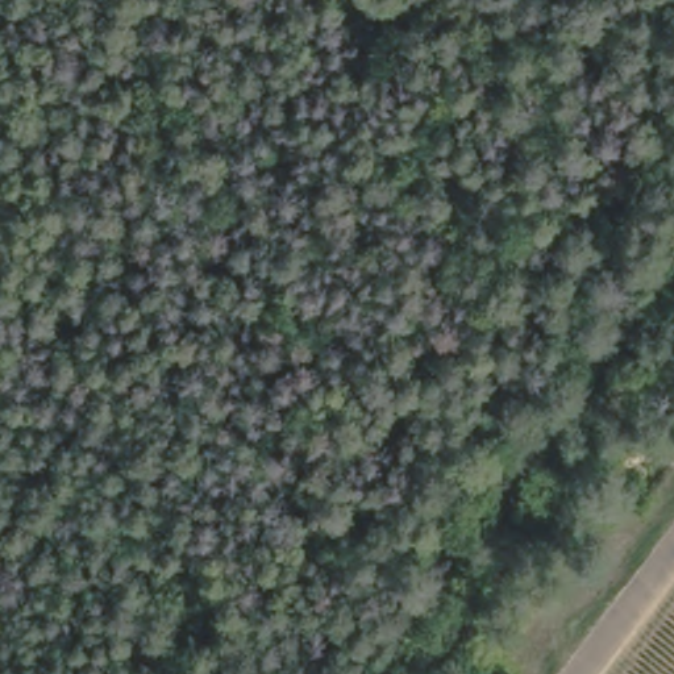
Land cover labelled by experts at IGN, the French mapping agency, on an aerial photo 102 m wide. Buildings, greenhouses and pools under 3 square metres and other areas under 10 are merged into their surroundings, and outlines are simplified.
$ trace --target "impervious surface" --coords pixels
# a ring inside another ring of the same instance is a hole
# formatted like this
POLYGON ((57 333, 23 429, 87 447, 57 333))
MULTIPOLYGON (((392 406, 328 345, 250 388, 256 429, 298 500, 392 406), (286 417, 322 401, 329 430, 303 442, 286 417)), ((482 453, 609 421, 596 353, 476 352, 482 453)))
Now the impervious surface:
POLYGON ((616 598, 606 606, 606 611, 587 629, 582 642, 569 653, 569 658, 561 663, 556 674, 611 674, 611 669, 627 656, 640 632, 648 627, 661 603, 674 590, 674 521, 666 527, 666 532, 650 548, 642 566, 616 592, 616 598))

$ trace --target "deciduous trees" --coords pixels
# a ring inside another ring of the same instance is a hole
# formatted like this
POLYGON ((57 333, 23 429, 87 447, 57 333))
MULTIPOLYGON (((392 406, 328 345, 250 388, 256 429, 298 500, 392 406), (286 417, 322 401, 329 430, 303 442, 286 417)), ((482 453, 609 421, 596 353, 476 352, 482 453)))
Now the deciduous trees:
POLYGON ((440 295, 445 321, 455 319, 455 311, 463 311, 466 319, 482 316, 490 300, 500 292, 500 287, 524 287, 524 266, 542 263, 542 255, 537 250, 550 245, 556 253, 566 253, 569 237, 579 237, 582 232, 592 234, 592 250, 600 253, 600 263, 613 276, 613 282, 624 279, 629 276, 627 245, 632 226, 645 221, 666 221, 661 211, 653 211, 645 203, 645 197, 663 195, 666 200, 674 190, 674 174, 669 171, 669 166, 661 163, 661 158, 640 161, 637 166, 611 161, 611 187, 600 187, 595 190, 595 197, 584 197, 579 203, 561 203, 558 208, 537 211, 534 216, 542 226, 534 234, 529 234, 524 226, 511 226, 506 242, 490 242, 490 250, 477 250, 474 242, 469 242, 463 253, 448 261, 442 271, 442 284, 434 287, 434 292, 440 295))
POLYGON ((503 445, 495 450, 495 458, 500 461, 503 477, 513 477, 524 458, 519 455, 519 440, 503 434, 503 445))
POLYGON ((458 118, 455 103, 448 103, 448 97, 437 97, 434 105, 424 108, 424 118, 458 118))
POLYGON ((437 516, 440 553, 469 561, 474 558, 474 550, 484 545, 482 529, 495 521, 503 495, 500 482, 495 487, 484 487, 482 492, 466 490, 445 506, 445 511, 437 516))
POLYGON ((590 340, 592 326, 598 324, 598 305, 592 295, 574 295, 566 305, 569 329, 566 334, 550 340, 550 355, 569 369, 574 384, 587 387, 595 363, 587 358, 584 345, 590 340))
POLYGON ((466 606, 463 600, 450 598, 445 611, 429 606, 421 616, 411 619, 411 627, 398 637, 395 656, 408 656, 419 650, 432 656, 442 653, 445 640, 461 624, 461 613, 466 606))
POLYGON ((556 121, 556 111, 561 108, 563 95, 584 87, 582 71, 574 74, 569 82, 553 82, 545 71, 527 79, 532 92, 540 90, 542 95, 534 124, 513 137, 516 145, 524 147, 524 155, 519 158, 519 171, 524 176, 537 163, 548 166, 566 158, 566 132, 571 126, 556 121))
POLYGON ((179 245, 187 242, 192 247, 192 258, 184 258, 184 269, 200 271, 200 263, 211 258, 211 240, 219 240, 221 229, 237 221, 234 203, 219 203, 213 213, 200 211, 195 221, 184 216, 184 182, 179 176, 179 169, 169 169, 169 158, 161 155, 158 129, 182 124, 192 132, 195 140, 208 140, 208 118, 203 113, 190 111, 187 105, 166 105, 161 79, 166 71, 174 71, 179 66, 179 61, 174 55, 153 53, 134 55, 132 61, 134 74, 129 79, 137 87, 137 97, 132 100, 129 116, 118 121, 118 129, 134 134, 134 153, 140 158, 142 211, 137 216, 129 216, 129 211, 118 211, 121 237, 105 240, 105 253, 137 255, 134 232, 142 226, 153 226, 155 237, 174 234, 179 245))
POLYGON ((411 87, 416 76, 416 61, 411 61, 403 53, 403 47, 371 47, 366 84, 371 84, 374 97, 392 97, 398 95, 398 87, 411 87))
POLYGON ((653 369, 629 366, 621 376, 613 376, 613 411, 621 411, 624 400, 632 398, 637 403, 645 400, 645 387, 650 387, 658 379, 653 369))
POLYGON ((166 611, 182 619, 184 592, 179 587, 174 595, 147 592, 140 613, 166 611))
POLYGON ((458 58, 469 58, 474 68, 474 82, 479 84, 487 84, 492 79, 492 61, 487 50, 487 26, 479 21, 479 11, 469 0, 437 0, 424 13, 424 18, 411 18, 411 32, 421 32, 424 42, 437 42, 448 34, 458 45, 458 58))
POLYGON ((398 190, 408 187, 411 182, 429 179, 434 174, 432 155, 437 155, 437 147, 432 147, 427 137, 416 137, 411 140, 411 150, 395 153, 400 169, 392 182, 398 190))
POLYGON ((298 437, 298 450, 311 453, 313 437, 326 434, 326 424, 321 419, 313 419, 313 408, 308 405, 300 408, 292 419, 282 419, 279 432, 269 432, 269 427, 258 424, 258 440, 250 440, 245 432, 247 405, 232 403, 232 413, 221 421, 213 419, 208 424, 208 432, 226 432, 234 442, 240 442, 242 448, 253 450, 258 458, 266 461, 284 458, 287 437, 298 437))
POLYGON ((340 334, 337 329, 345 321, 345 316, 342 311, 334 311, 329 316, 319 313, 313 319, 303 319, 300 313, 295 313, 295 300, 284 295, 276 300, 279 311, 271 332, 282 334, 282 342, 266 342, 263 353, 276 355, 279 363, 290 363, 292 350, 326 348, 334 334, 340 334))

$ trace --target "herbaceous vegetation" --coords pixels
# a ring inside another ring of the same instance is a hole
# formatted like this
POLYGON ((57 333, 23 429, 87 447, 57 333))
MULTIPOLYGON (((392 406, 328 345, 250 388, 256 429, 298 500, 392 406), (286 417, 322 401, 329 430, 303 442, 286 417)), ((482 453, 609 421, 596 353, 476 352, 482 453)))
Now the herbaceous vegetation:
POLYGON ((574 592, 571 603, 540 600, 534 611, 527 613, 521 624, 516 624, 508 632, 500 650, 519 658, 524 674, 556 674, 561 663, 569 658, 569 653, 582 642, 587 629, 606 611, 606 606, 616 598, 616 592, 642 566, 650 548, 666 532, 666 527, 674 521, 674 466, 666 466, 663 479, 656 487, 658 508, 648 519, 648 527, 629 524, 621 532, 616 532, 616 542, 606 563, 595 571, 579 571, 582 587, 574 592))

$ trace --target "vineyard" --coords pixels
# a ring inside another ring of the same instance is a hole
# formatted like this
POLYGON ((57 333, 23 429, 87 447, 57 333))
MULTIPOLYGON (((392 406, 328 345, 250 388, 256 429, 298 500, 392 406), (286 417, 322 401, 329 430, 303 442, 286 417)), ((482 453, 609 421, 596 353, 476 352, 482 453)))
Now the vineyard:
POLYGON ((648 627, 640 632, 627 656, 611 669, 611 674, 674 674, 674 590, 661 603, 648 627))

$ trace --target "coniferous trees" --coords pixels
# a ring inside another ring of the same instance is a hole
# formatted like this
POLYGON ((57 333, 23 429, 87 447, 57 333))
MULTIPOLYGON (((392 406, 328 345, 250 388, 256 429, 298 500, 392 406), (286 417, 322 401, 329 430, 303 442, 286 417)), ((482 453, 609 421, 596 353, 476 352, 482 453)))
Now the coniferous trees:
POLYGON ((592 234, 582 232, 579 237, 569 237, 566 253, 556 253, 550 245, 537 250, 542 255, 542 263, 524 266, 524 287, 500 287, 500 292, 490 300, 482 316, 466 319, 463 311, 455 311, 455 319, 445 321, 440 295, 434 292, 434 287, 442 284, 442 271, 448 261, 463 253, 469 242, 474 242, 477 250, 490 250, 490 242, 506 242, 511 226, 524 226, 529 234, 534 234, 542 226, 534 216, 537 211, 558 208, 561 203, 579 203, 584 197, 595 197, 595 190, 600 187, 611 187, 611 161, 637 166, 640 161, 661 158, 661 163, 669 166, 669 171, 674 174, 674 0, 469 0, 479 11, 479 21, 487 26, 487 50, 492 61, 492 79, 487 84, 479 84, 474 82, 474 68, 469 58, 458 58, 458 45, 448 34, 437 42, 424 42, 421 32, 411 32, 411 18, 424 18, 424 13, 437 0, 0 0, 0 674, 524 674, 519 658, 500 650, 508 632, 516 624, 521 624, 527 613, 534 611, 540 600, 571 603, 574 592, 582 587, 579 571, 595 571, 606 563, 616 542, 616 532, 621 532, 629 524, 648 527, 648 519, 658 508, 656 487, 663 479, 666 466, 674 466, 674 190, 666 200, 663 195, 645 197, 645 203, 653 211, 661 211, 666 221, 645 221, 632 226, 627 245, 629 276, 624 279, 613 282, 613 276, 600 263, 600 253, 592 250, 592 234), (392 97, 374 97, 371 84, 366 84, 371 47, 403 47, 403 53, 411 61, 416 61, 416 76, 411 87, 398 87, 398 95, 392 97), (237 221, 221 229, 219 240, 211 240, 211 258, 200 263, 200 271, 184 269, 184 258, 192 258, 192 247, 187 242, 179 245, 174 234, 155 237, 153 226, 142 226, 134 232, 137 255, 105 253, 105 240, 121 237, 118 211, 129 211, 129 216, 137 216, 142 211, 140 158, 134 153, 134 134, 118 129, 118 121, 129 116, 132 100, 137 97, 137 87, 129 79, 134 74, 132 61, 134 55, 153 53, 174 55, 179 61, 179 66, 174 71, 166 71, 161 79, 166 105, 187 105, 190 111, 203 113, 208 118, 208 140, 195 140, 192 132, 182 124, 158 129, 161 155, 169 158, 169 169, 179 169, 179 176, 184 182, 184 216, 195 221, 200 211, 213 213, 219 203, 234 203, 237 221), (519 171, 519 158, 524 155, 524 147, 516 145, 513 137, 534 124, 542 95, 540 90, 532 92, 527 79, 545 71, 553 82, 569 82, 574 74, 582 71, 584 87, 563 95, 561 108, 556 111, 556 121, 571 126, 566 132, 566 158, 548 166, 537 163, 524 176, 519 171), (424 108, 434 105, 437 97, 448 97, 448 103, 455 103, 458 118, 424 118, 424 108), (434 174, 429 179, 411 182, 408 187, 398 190, 392 182, 400 169, 395 153, 411 150, 411 140, 416 137, 427 137, 432 147, 437 147, 437 155, 432 155, 434 174), (342 311, 345 316, 345 321, 337 329, 340 334, 334 334, 326 348, 292 350, 290 363, 279 363, 276 355, 263 353, 266 342, 282 342, 282 334, 271 332, 279 311, 276 300, 284 295, 295 300, 295 313, 300 313, 303 319, 313 319, 319 313, 329 316, 334 311, 342 311), (598 324, 592 326, 590 340, 584 345, 587 358, 595 363, 587 387, 574 384, 569 369, 550 355, 550 340, 566 334, 569 329, 566 305, 574 295, 592 295, 598 305, 598 324), (621 411, 613 411, 613 376, 621 376, 629 366, 653 369, 658 379, 650 387, 645 387, 645 400, 637 403, 632 398, 624 400, 621 411), (321 419, 326 424, 326 434, 313 437, 311 453, 298 450, 298 437, 287 437, 284 458, 266 461, 258 458, 253 450, 242 448, 240 442, 234 442, 226 432, 208 432, 208 424, 213 419, 221 421, 232 413, 232 403, 247 405, 245 432, 250 440, 258 440, 258 424, 269 427, 269 432, 279 432, 282 419, 292 419, 300 408, 308 405, 313 408, 313 419, 321 419), (503 477, 500 461, 495 458, 495 450, 503 445, 503 434, 519 440, 519 455, 524 458, 513 477, 503 477), (474 550, 474 558, 469 561, 440 553, 437 516, 445 511, 445 506, 466 490, 482 492, 484 487, 495 487, 500 482, 503 495, 495 521, 482 529, 484 545, 474 550), (174 595, 179 587, 184 592, 182 619, 166 611, 140 613, 147 592, 174 595), (419 650, 408 656, 395 656, 398 637, 411 627, 411 619, 421 616, 429 606, 445 611, 450 598, 463 600, 466 606, 461 613, 461 624, 445 640, 442 653, 432 656, 419 650))

